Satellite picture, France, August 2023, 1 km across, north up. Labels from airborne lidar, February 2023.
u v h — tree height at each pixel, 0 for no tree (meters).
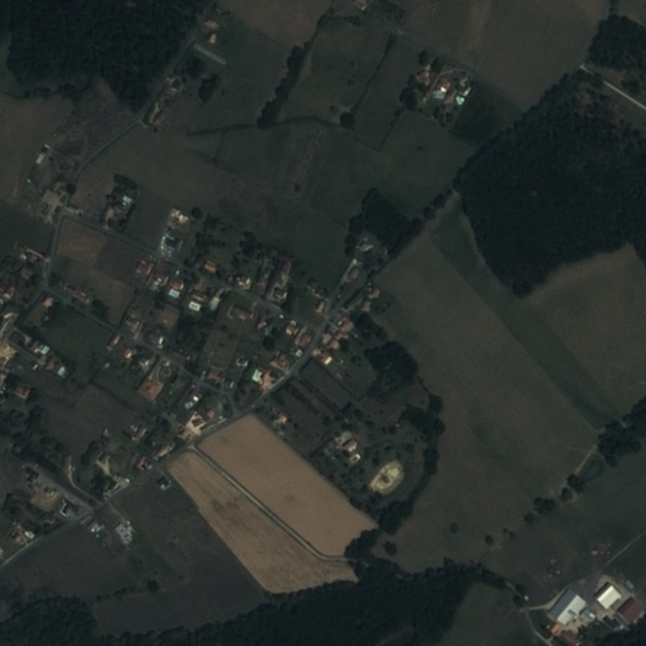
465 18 0
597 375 0
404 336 0
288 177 0
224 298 9
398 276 0
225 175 0
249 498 0
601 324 0
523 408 0
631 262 0
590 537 0
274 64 0
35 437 11
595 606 0
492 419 0
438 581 20
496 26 0
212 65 0
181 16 19
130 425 0
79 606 21
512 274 23
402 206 0
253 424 0
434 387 0
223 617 0
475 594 0
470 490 0
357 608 28
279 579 0
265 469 0
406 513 20
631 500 0
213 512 0
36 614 20
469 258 0
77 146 0
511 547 0
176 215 0
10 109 0
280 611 22
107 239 0
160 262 0
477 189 25
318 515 0
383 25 0
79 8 23
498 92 0
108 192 0
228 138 0
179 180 0
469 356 0
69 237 0
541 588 0
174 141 0
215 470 0
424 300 0
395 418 0
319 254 0
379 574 21
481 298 0
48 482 0
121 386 0
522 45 0
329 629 28
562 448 0
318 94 0
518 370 0
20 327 8
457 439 0
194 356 0
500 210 27
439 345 0
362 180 0
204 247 9
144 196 0
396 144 0
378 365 15
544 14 0
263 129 11
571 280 0
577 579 0
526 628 0
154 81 23
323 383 0
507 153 24
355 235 15
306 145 0
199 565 0
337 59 0
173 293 0
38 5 23
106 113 0
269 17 0
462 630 0
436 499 0
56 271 0
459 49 0
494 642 0
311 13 0
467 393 0
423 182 0
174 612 0
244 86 0
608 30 21
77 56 22
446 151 0
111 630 0
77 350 0
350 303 6
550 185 27
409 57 0
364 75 0
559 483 0
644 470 0
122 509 0
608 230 26
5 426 16
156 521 0
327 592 18
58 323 0
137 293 8
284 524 0
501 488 0
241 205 0
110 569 0
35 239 0
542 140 18
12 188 0
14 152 0
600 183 22
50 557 0
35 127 0
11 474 0
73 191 11
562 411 0
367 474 15
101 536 0
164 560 0
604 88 17
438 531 0
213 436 0
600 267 0
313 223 0
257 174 0
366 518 0
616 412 0
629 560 0
